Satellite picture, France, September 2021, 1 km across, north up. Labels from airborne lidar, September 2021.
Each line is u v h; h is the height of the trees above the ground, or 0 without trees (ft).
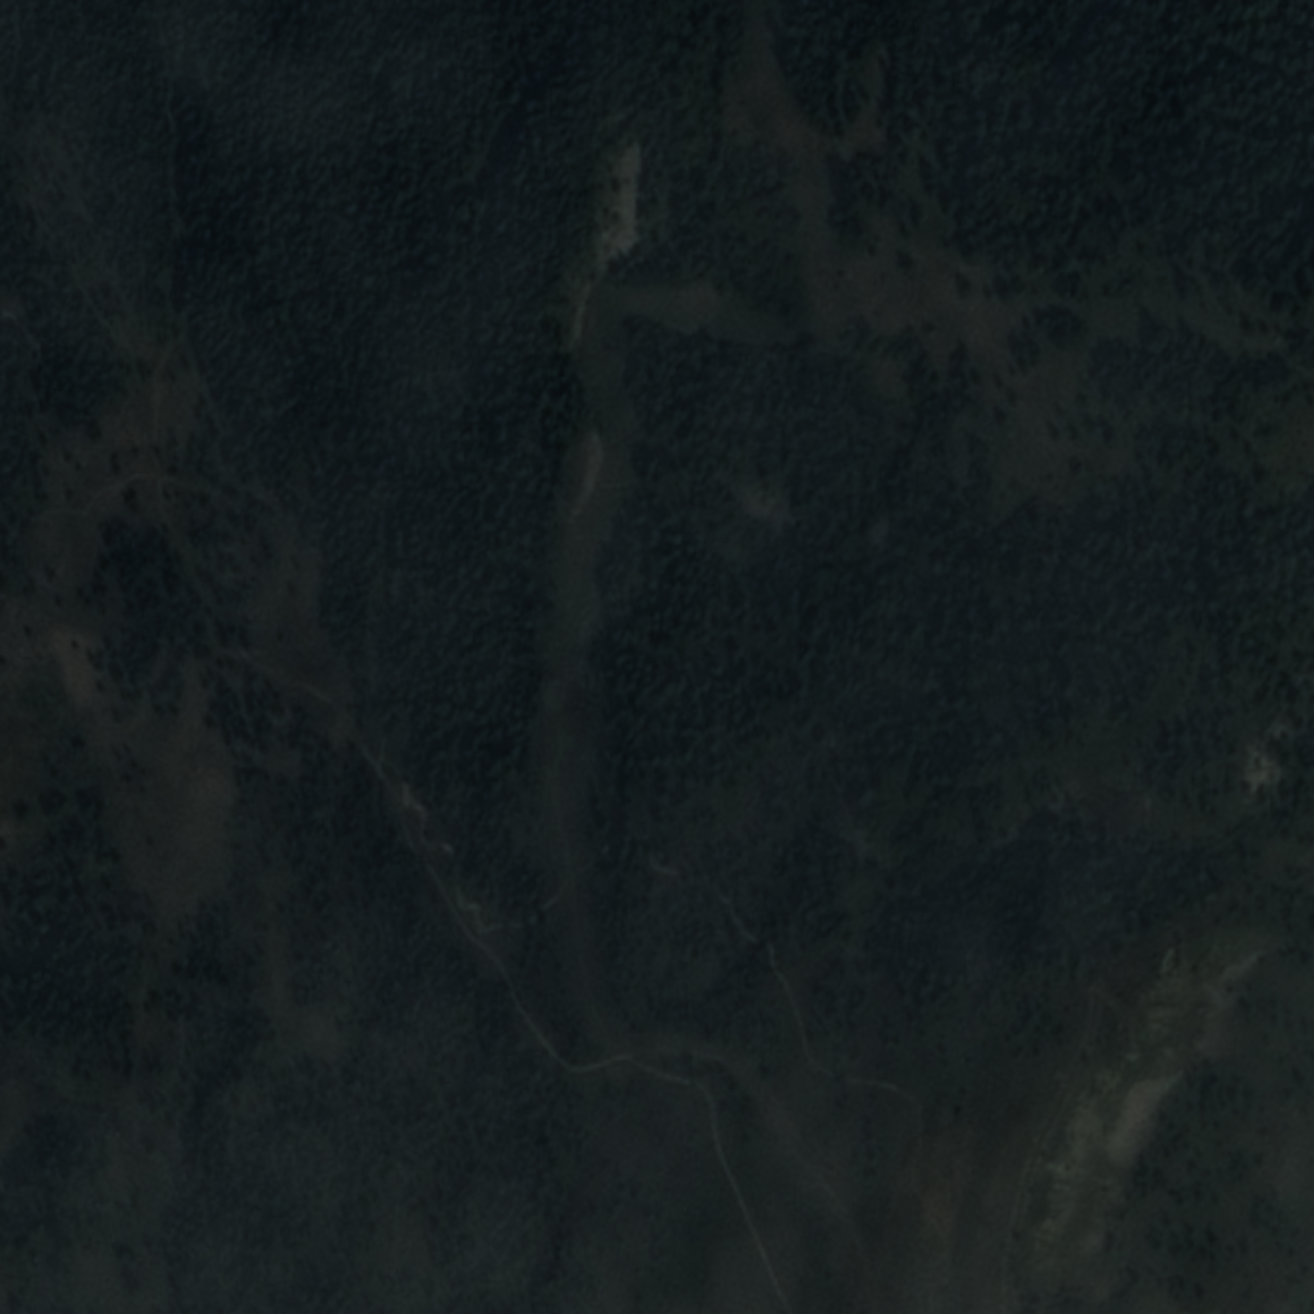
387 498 49
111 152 34
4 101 24
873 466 53
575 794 0
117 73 59
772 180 18
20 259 32
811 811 0
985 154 34
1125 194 64
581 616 0
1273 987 0
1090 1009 0
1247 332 51
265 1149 27
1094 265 42
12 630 0
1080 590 42
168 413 0
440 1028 39
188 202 39
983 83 89
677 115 26
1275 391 58
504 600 31
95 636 0
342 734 0
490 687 32
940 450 21
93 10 51
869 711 29
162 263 40
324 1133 35
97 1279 0
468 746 28
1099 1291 0
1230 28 67
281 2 80
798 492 45
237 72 60
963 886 24
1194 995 0
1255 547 36
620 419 0
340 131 69
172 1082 0
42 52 50
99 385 26
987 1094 0
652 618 43
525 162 62
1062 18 64
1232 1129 0
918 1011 30
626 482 0
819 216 0
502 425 36
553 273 48
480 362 53
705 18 35
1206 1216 0
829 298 0
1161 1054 0
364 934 26
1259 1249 0
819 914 31
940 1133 0
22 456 38
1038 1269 0
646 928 25
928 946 20
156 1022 0
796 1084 0
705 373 22
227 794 0
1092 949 0
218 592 25
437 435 39
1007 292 25
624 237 0
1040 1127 0
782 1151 0
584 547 0
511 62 65
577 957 0
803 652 26
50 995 53
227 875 0
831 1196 0
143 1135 0
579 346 0
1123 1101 0
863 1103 0
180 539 0
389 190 80
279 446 54
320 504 28
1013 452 0
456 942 0
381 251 67
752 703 31
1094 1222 0
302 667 0
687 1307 0
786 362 22
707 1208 0
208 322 50
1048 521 22
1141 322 0
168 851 0
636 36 51
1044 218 57
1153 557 21
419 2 86
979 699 0
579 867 0
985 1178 0
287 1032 0
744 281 36
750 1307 0
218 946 36
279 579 0
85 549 0
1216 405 47
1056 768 0
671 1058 0
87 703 0
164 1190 0
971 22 76
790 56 79
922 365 49
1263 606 53
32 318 39
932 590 21
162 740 0
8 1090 0
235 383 50
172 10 52
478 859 40
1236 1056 0
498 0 87
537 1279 22
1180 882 24
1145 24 84
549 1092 32
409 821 0
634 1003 0
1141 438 28
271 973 0
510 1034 31
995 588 0
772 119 0
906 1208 0
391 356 46
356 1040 0
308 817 34
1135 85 73
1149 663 0
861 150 0
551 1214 26
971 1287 0
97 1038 28
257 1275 41
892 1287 0
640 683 47
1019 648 27
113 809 0
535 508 26
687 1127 0
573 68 54
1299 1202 0
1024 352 42
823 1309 0
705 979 0
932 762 62
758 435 29
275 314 61
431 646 53
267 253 49
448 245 76
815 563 28
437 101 81
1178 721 0
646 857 31
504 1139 27
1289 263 54
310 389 58
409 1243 0
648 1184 0
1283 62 76
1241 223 73
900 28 38
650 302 0
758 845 35
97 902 0
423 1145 41
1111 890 37
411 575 53
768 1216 0
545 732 0
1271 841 0
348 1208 20
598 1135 0
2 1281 0
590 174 42
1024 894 20
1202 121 31
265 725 27
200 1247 30
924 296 0
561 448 19
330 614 40
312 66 87
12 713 0
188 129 46
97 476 0
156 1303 0
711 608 38
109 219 44
